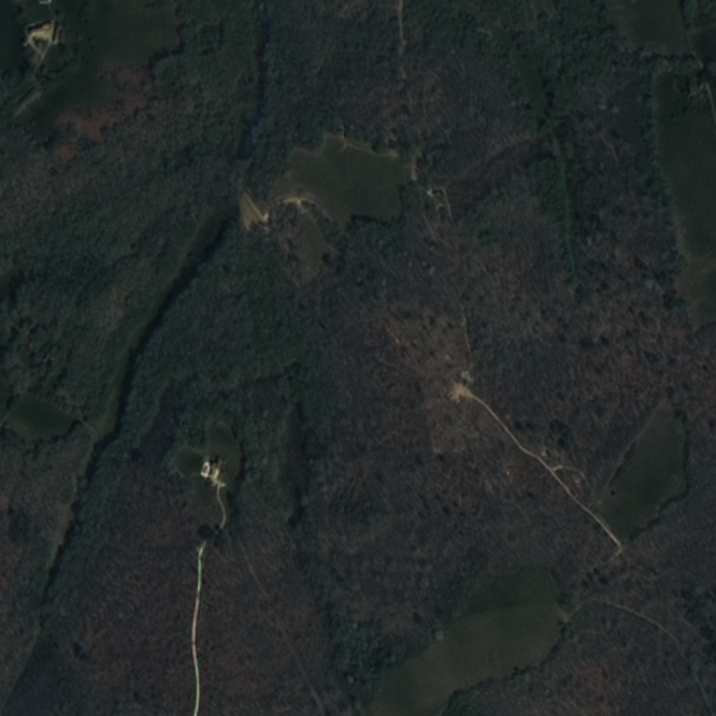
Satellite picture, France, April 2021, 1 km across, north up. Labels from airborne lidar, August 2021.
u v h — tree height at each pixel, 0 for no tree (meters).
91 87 0
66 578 21
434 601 13
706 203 0
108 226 26
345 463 11
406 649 12
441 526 10
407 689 0
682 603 17
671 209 14
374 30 14
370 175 0
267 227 9
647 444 0
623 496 0
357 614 17
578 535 12
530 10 15
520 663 0
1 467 21
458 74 17
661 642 10
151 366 21
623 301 8
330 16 13
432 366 22
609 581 11
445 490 7
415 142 17
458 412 13
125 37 0
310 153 18
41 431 0
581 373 7
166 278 19
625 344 16
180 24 8
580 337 13
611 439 9
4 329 21
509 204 19
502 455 13
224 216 0
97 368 24
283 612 7
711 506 14
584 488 18
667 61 11
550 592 0
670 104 0
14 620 16
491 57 18
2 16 0
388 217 0
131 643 8
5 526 23
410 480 13
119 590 8
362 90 15
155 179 21
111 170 20
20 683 12
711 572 15
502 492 18
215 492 0
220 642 7
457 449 12
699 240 0
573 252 14
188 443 19
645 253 10
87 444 24
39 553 18
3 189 16
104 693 10
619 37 12
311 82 13
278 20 19
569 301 14
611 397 10
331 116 16
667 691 13
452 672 0
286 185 0
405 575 11
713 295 0
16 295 20
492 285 18
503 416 11
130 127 16
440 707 0
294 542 20
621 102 12
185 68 16
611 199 11
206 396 20
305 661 10
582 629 13
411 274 18
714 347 12
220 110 17
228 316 24
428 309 16
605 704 18
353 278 14
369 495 11
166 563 9
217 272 27
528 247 18
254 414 11
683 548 11
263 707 11
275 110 21
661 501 0
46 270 25
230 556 12
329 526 11
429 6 19
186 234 19
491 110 19
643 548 14
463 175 14
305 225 0
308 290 13
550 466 13
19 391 21
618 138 10
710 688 14
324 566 18
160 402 10
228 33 18
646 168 16
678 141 0
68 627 15
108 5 0
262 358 23
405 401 6
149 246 9
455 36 16
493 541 13
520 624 0
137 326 18
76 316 20
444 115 14
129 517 10
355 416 11
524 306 21
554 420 10
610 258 10
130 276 19
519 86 20
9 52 0
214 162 22
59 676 10
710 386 7
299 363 19
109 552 9
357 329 7
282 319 17
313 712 9
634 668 20
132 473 6
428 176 14
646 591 13
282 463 32
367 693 15
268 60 31
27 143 11
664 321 13
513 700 13
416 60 13
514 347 19
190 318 23
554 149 26
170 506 20
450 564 12
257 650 10
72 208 19
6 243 19
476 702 17
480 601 0
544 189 23
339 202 0
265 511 20
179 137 16
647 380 8
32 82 12
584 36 13
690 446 10
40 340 14
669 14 0
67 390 21
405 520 11
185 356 18
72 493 19
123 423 17
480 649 0
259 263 18
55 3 0
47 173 16
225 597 9
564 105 19
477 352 14
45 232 24
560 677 10
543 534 14
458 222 14
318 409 21
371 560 13
